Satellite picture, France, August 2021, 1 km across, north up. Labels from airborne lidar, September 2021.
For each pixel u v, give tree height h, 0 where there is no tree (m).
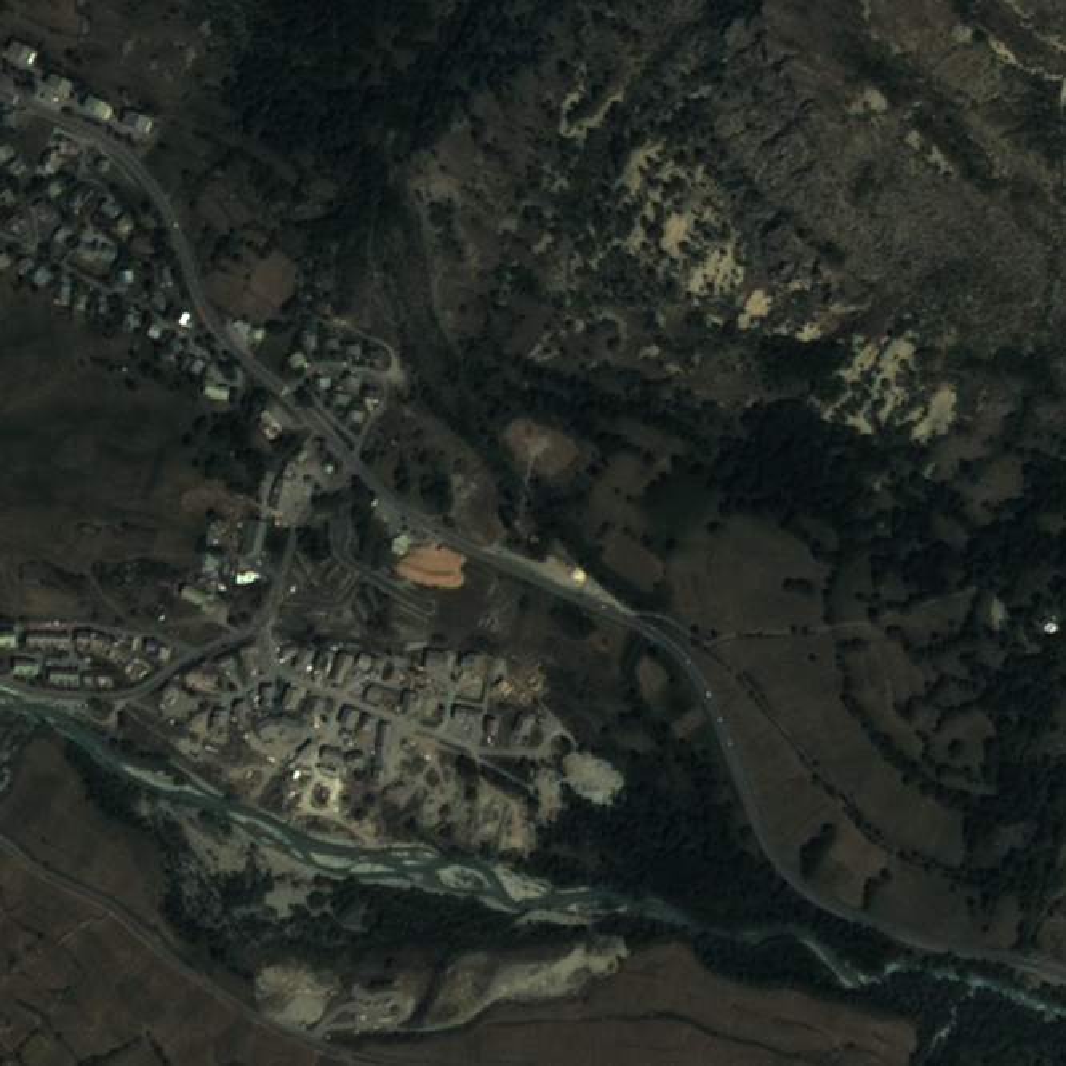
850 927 13
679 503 0
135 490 0
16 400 0
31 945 0
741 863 15
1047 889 7
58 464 0
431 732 0
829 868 0
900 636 7
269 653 0
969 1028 10
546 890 0
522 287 8
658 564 0
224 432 16
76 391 0
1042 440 9
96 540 0
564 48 0
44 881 0
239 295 0
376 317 0
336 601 0
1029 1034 13
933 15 0
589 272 7
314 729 0
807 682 0
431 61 11
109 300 7
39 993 0
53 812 0
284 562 0
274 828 0
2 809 0
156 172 0
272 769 0
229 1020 0
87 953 0
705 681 0
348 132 13
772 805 0
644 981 0
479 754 0
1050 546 17
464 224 0
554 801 0
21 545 0
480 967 0
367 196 15
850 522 10
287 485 0
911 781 12
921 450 8
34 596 0
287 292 0
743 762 0
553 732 0
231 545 0
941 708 6
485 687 0
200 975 0
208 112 0
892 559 10
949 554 18
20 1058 6
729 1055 0
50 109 0
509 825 0
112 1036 0
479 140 15
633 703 7
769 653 0
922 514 15
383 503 0
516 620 0
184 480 0
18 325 0
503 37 20
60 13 0
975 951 0
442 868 0
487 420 6
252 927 7
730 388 0
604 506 0
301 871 0
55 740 0
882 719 0
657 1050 0
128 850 0
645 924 9
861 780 0
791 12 0
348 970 0
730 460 22
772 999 0
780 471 21
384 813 0
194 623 0
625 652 0
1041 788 17
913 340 7
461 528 0
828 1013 0
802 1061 0
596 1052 0
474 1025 0
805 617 0
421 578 0
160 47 0
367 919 5
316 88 10
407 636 0
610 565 0
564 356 11
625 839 10
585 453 0
